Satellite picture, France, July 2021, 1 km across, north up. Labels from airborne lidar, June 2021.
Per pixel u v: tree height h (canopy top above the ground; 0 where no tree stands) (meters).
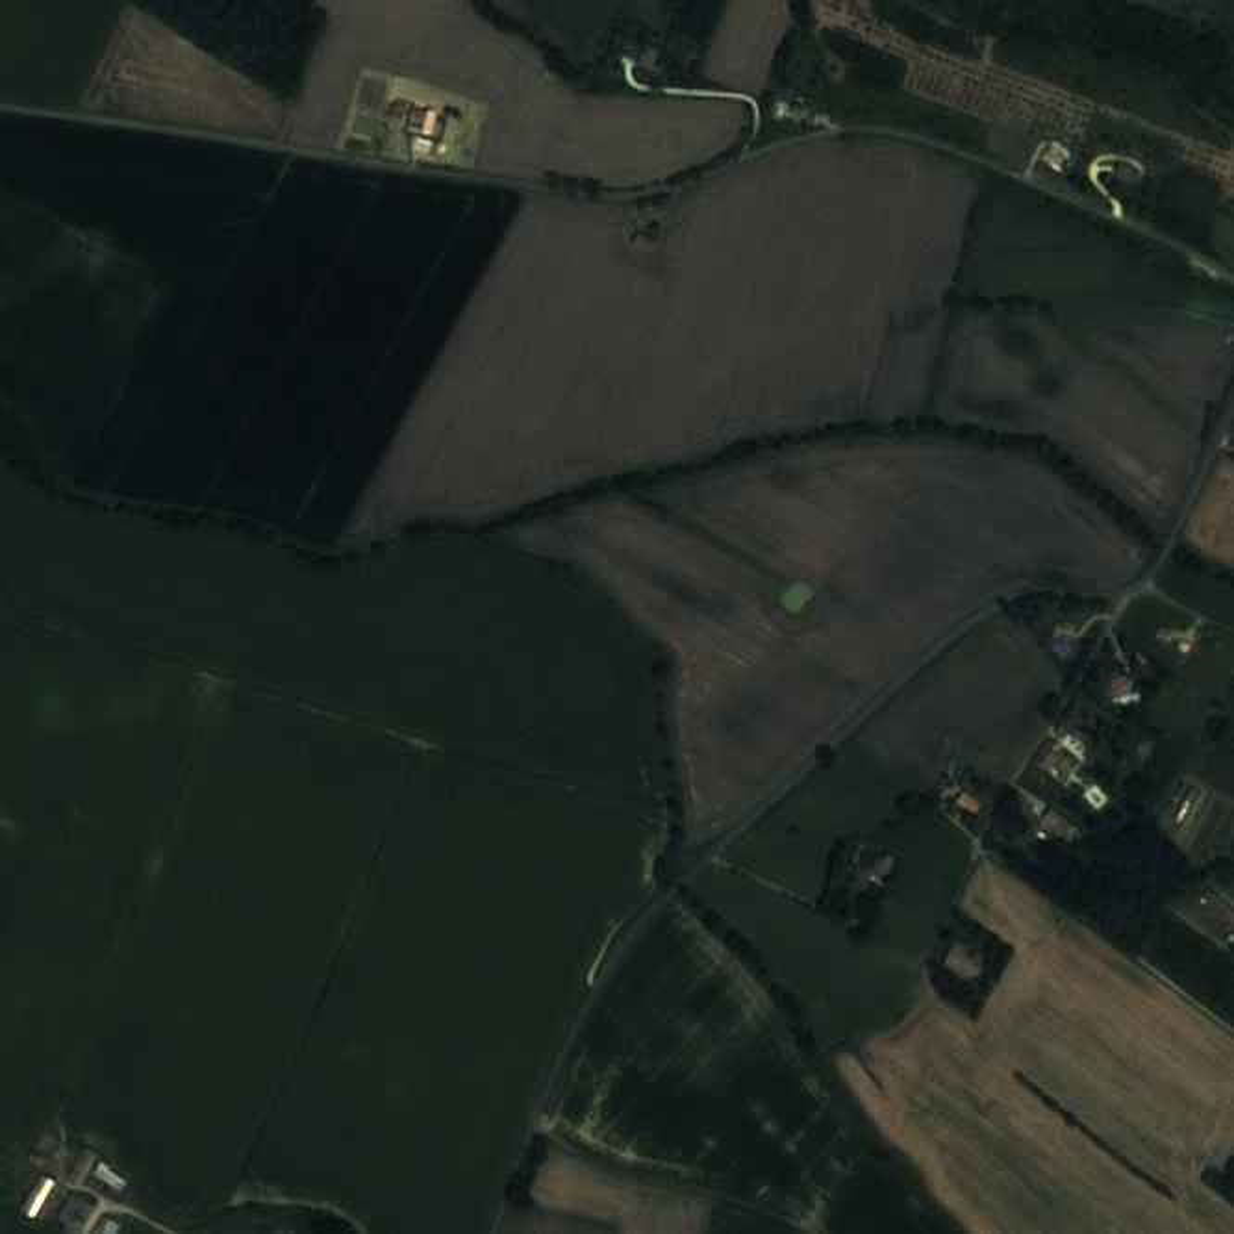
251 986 0
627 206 0
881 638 0
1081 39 14
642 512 0
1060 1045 0
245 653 0
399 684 0
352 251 0
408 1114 0
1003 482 0
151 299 0
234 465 0
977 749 0
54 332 0
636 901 0
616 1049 0
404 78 0
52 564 0
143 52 0
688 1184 0
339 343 0
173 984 0
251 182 0
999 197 0
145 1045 0
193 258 0
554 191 10
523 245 0
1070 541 0
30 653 0
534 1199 11
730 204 0
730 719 0
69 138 0
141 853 0
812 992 0
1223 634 0
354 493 0
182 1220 0
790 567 0
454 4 0
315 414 0
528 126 0
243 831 0
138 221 0
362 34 0
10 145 0
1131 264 0
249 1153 0
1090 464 0
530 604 0
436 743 0
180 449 0
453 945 0
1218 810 0
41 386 0
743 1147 0
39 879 0
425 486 0
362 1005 0
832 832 0
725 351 0
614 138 0
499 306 0
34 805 0
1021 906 0
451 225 0
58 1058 0
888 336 0
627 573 0
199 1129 0
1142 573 0
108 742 0
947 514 0
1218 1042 0
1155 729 6
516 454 0
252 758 0
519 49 0
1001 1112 0
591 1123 0
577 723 0
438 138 0
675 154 0
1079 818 7
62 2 0
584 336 0
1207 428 6
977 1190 0
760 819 0
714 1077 0
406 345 0
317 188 0
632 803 0
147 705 0
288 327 0
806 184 0
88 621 0
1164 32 15
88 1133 0
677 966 0
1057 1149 0
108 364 0
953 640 0
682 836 16
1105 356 0
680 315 0
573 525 0
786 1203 0
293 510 0
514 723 0
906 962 0
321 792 0
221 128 0
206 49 9
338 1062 0
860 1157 0
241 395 0
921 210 0
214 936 0
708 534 0
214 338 0
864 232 0
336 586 0
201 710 0
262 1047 0
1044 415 0
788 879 0
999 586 0
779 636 0
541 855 0
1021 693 0
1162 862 17
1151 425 0
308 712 0
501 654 0
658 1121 0
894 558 0
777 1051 0
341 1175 0
